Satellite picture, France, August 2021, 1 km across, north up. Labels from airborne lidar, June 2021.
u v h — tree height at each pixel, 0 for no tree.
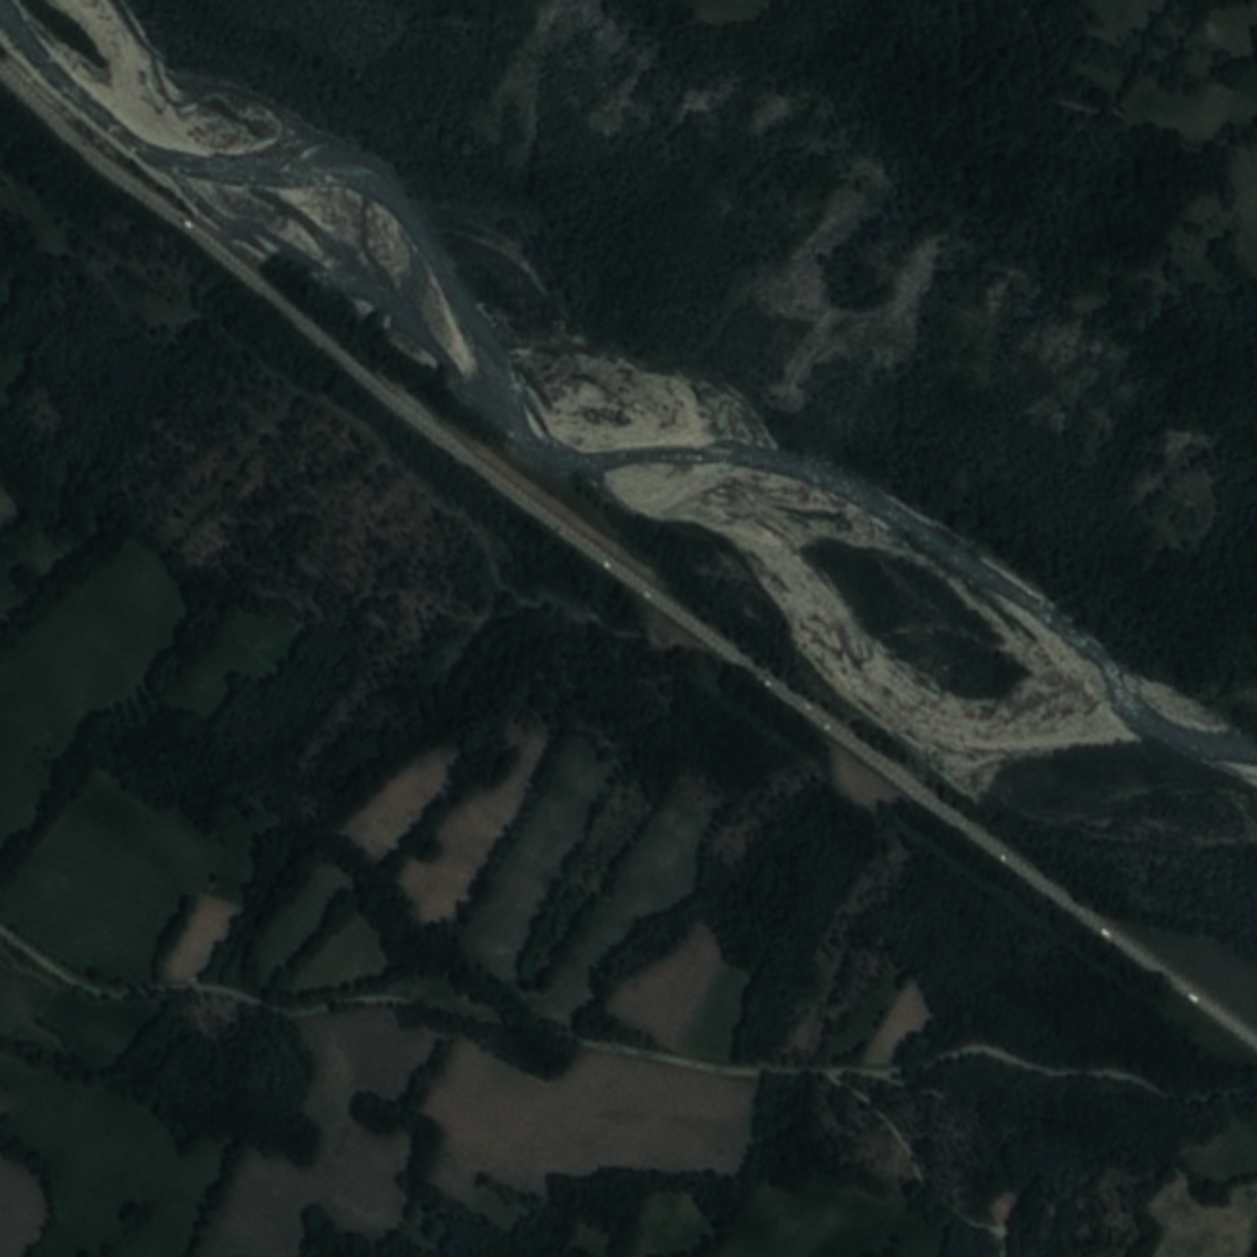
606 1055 0
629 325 6
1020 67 11
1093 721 0
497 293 6
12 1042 8
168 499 14
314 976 0
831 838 9
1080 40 8
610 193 10
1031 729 0
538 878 0
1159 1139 19
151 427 15
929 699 0
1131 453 13
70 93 0
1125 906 8
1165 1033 23
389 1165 0
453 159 9
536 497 0
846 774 0
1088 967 18
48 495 18
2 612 0
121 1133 0
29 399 14
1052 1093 14
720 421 0
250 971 7
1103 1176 15
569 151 8
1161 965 0
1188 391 11
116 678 0
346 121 10
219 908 0
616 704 26
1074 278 10
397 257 0
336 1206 0
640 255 9
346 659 15
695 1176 12
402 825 0
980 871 11
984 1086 12
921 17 9
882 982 8
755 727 8
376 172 0
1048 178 12
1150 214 18
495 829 0
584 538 0
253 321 19
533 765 0
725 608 7
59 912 0
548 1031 12
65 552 0
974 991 14
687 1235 0
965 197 16
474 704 15
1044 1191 13
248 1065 18
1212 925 12
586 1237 0
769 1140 13
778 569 0
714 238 7
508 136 8
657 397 0
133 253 16
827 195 10
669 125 11
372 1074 0
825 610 0
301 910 0
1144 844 6
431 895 0
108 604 0
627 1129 0
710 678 0
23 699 0
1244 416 15
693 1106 0
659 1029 0
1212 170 15
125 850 0
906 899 17
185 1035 11
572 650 21
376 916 22
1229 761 0
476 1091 0
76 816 0
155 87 0
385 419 14
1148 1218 13
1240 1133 0
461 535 11
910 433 14
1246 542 14
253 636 0
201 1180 0
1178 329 20
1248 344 14
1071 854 5
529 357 0
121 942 0
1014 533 10
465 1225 14
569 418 0
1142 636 14
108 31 0
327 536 15
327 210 0
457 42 10
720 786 9
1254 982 0
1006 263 17
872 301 10
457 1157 0
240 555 15
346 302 14
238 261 0
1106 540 12
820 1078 11
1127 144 18
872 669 0
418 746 20
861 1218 0
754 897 17
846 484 0
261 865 16
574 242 11
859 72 19
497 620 6
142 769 12
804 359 0
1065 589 8
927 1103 13
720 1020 0
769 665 14
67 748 0
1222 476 14
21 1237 0
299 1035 10
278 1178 0
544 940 9
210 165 0
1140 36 8
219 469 7
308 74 11
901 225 7
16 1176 0
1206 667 16
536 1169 0
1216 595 20
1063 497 10
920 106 16
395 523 10
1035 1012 13
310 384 13
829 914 12
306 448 15
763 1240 0
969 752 0
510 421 0
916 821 15
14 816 0
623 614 7
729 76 10
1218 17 0
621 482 0
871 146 13
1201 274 0
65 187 16
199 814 12
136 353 17
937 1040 18
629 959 16
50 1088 0
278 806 16
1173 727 0
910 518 0
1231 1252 0
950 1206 12
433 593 12
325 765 20
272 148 0
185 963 0
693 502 0
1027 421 10
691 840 0
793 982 13
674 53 10
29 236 22
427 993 0
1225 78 16
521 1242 12
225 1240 0
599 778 0
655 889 0
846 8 10
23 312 19
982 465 11
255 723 18
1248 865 9
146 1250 0
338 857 16
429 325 0
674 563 8
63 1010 0
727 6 0
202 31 9
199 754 7
